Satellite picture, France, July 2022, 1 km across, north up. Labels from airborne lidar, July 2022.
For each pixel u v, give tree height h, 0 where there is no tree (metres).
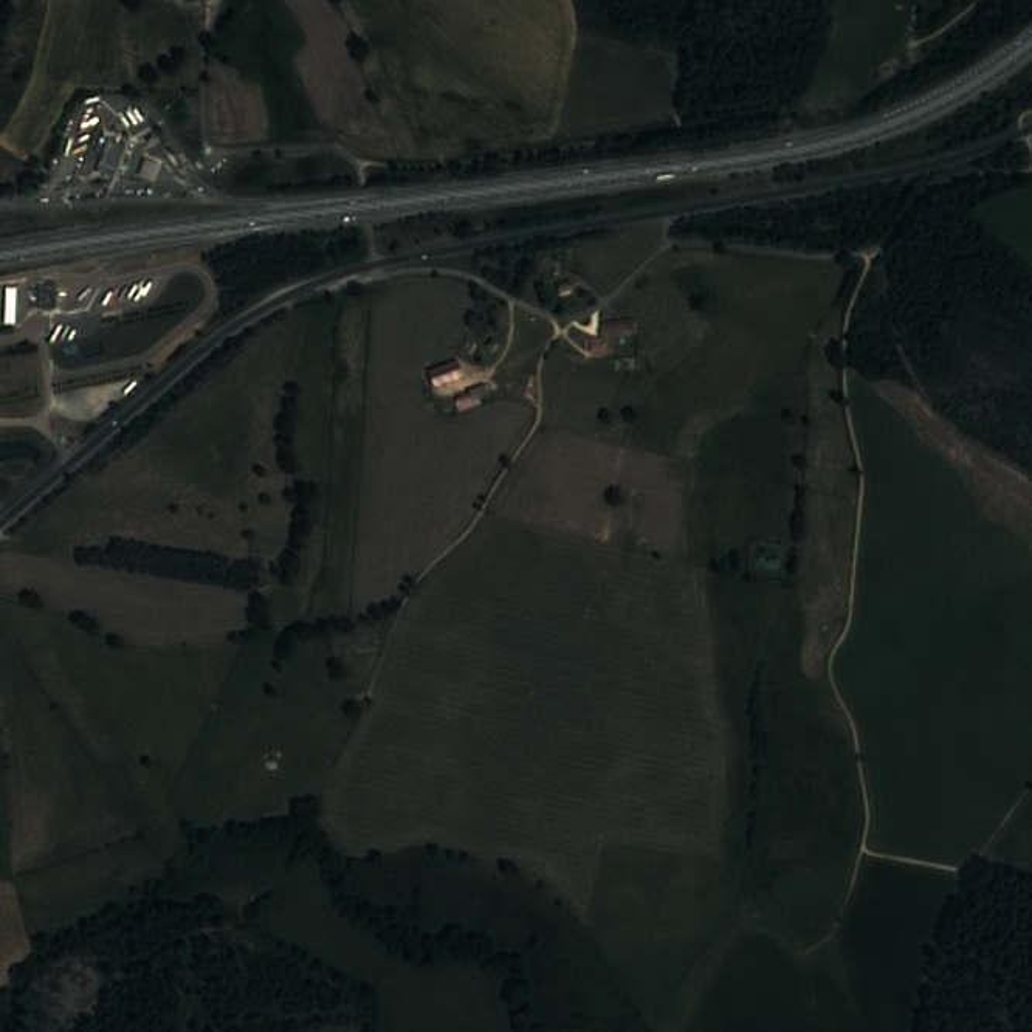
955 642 0
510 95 0
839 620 0
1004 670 0
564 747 0
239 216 0
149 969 22
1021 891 35
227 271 17
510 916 0
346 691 0
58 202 0
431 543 0
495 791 0
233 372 0
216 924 27
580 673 0
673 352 0
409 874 0
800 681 0
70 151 0
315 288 0
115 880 0
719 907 0
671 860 0
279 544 0
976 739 0
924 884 0
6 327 7
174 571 11
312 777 0
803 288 0
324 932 0
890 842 0
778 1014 0
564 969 0
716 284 0
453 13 0
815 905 0
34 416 0
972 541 0
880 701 0
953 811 0
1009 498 0
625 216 0
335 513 0
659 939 0
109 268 0
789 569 8
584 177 0
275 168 0
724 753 0
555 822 0
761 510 0
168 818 0
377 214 0
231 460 0
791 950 0
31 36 0
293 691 0
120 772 0
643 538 0
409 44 0
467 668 0
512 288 11
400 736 0
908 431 0
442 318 0
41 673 0
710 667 0
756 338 0
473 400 0
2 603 0
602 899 0
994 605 0
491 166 14
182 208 0
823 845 0
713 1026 0
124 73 0
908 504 0
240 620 0
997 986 32
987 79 0
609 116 0
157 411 14
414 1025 0
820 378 0
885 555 0
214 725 0
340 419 0
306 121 0
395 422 0
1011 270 10
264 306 0
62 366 0
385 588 0
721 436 0
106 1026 17
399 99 0
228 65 14
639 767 0
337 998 14
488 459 0
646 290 0
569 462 0
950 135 13
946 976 22
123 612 0
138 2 23
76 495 0
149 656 0
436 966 9
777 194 0
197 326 0
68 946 15
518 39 0
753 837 8
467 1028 0
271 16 0
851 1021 0
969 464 0
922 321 10
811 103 0
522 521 0
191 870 0
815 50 22
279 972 8
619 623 0
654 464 0
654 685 0
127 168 0
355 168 0
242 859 0
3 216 0
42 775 0
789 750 0
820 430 0
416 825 0
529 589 0
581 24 0
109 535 0
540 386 0
